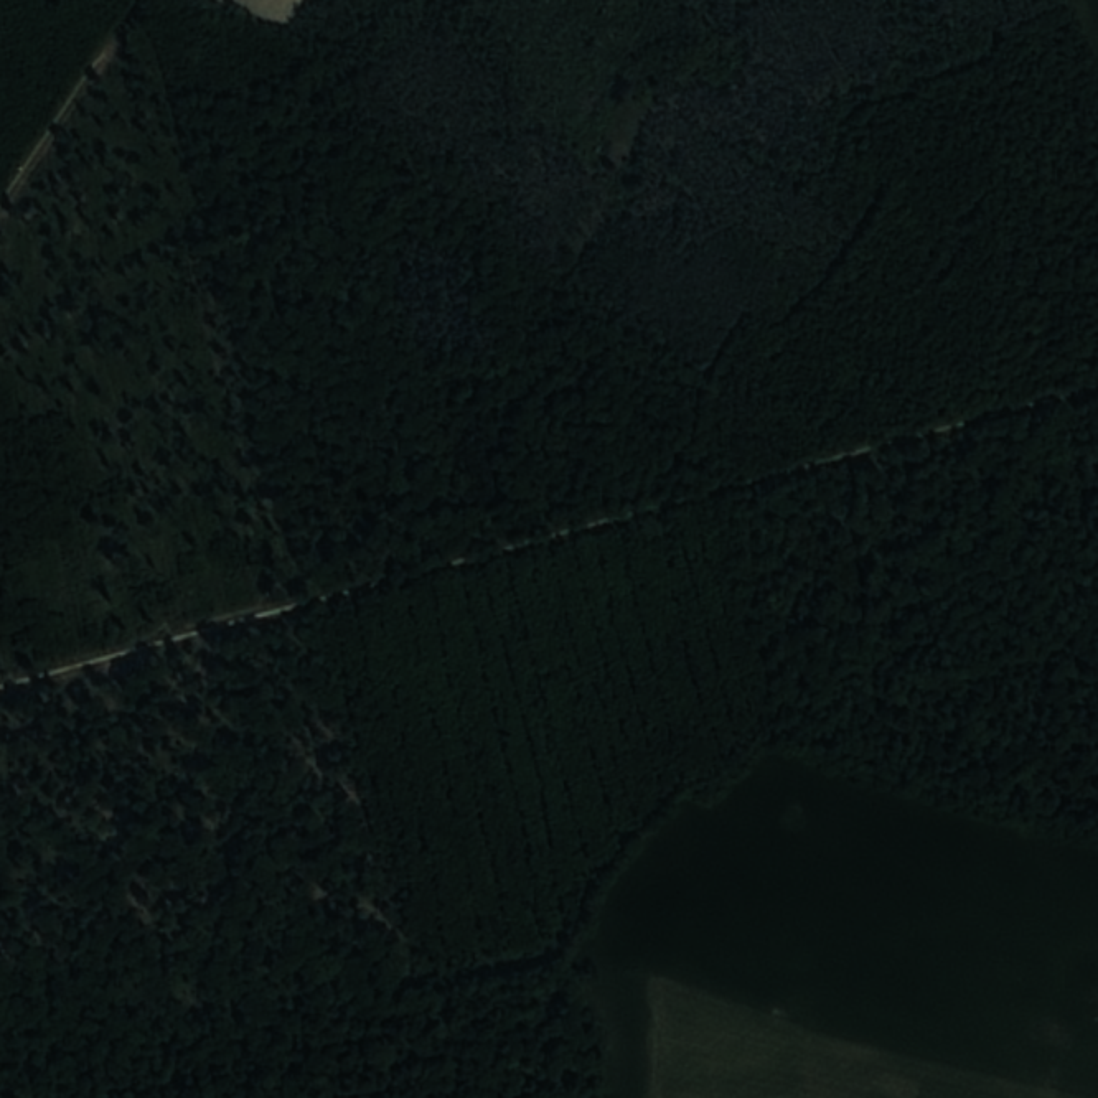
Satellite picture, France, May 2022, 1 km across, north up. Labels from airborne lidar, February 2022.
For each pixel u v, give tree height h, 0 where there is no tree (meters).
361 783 18
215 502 27
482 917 16
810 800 0
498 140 21
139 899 32
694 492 19
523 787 14
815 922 0
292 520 27
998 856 0
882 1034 0
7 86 13
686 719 19
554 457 25
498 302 22
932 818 0
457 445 16
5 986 26
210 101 21
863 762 26
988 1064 0
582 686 15
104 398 28
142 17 21
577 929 26
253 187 23
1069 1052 0
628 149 0
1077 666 8
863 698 31
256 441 24
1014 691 29
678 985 0
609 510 22
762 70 23
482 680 14
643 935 0
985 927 0
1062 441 22
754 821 0
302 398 27
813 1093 0
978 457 27
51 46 13
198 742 31
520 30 15
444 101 25
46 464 11
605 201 18
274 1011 27
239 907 28
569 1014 30
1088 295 24
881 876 0
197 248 27
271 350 27
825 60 22
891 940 0
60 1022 26
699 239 17
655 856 0
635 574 14
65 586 0
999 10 25
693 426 25
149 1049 24
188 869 33
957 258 21
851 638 31
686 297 13
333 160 22
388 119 22
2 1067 21
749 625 28
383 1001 29
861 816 0
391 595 17
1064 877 0
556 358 25
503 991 25
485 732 15
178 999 29
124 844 32
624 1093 0
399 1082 23
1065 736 27
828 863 0
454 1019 22
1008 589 26
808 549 12
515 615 12
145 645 0
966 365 23
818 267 6
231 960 25
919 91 18
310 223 22
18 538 9
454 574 16
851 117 15
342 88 24
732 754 21
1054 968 0
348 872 31
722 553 14
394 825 17
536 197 20
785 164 8
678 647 19
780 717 25
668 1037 0
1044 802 30
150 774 33
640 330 11
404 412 25
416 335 20
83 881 35
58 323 29
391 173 21
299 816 33
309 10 14
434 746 17
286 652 26
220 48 10
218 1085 28
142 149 0
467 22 12
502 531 11
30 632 12
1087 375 23
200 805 30
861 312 19
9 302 30
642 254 13
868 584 31
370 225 20
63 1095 24
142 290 0
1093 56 19
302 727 31
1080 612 30
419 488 31
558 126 6
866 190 11
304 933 28
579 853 14
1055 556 28
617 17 7
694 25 12
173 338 24
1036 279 24
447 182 23
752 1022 0
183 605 0
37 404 0
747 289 13
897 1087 0
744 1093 0
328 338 22
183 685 32
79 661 0
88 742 26
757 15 19
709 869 0
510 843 17
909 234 12
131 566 32
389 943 31
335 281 21
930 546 30
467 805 16
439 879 18
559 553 14
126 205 26
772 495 24
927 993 0
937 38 10
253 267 26
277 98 25
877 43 24
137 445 21
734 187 19
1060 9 19
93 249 0
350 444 25
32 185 0
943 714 33
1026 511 17
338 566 15
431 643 14
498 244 18
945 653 30
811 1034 0
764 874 0
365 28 23
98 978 26
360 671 16
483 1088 31
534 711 13
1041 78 26
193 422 30
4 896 30
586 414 24
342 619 19
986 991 0
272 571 30
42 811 30
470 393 12
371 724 16
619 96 19
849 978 0
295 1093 24
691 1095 0
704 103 19
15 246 0
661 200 18
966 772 29
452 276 20
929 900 0
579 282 15
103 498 7
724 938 0
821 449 18
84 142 24
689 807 0
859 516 31
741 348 13
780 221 24
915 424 21
